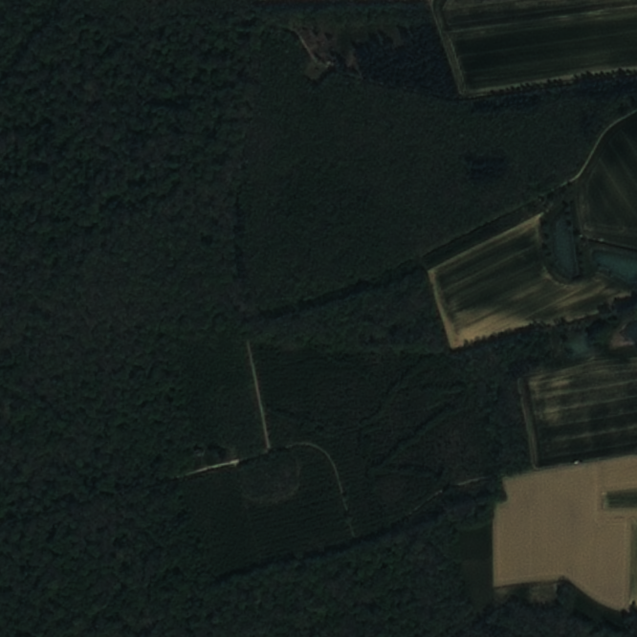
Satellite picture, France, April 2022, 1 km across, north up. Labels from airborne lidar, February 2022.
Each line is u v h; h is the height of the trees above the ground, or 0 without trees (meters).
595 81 24
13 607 23
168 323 27
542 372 0
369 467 11
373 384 9
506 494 15
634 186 0
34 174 30
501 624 19
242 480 13
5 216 27
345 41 0
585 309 0
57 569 25
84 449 23
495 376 27
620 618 0
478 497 7
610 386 0
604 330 24
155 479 23
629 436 0
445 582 29
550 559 0
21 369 23
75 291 28
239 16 24
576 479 0
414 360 10
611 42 0
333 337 26
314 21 25
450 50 0
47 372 28
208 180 26
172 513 26
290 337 29
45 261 26
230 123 25
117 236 27
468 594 18
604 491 0
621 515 0
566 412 0
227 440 19
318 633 22
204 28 27
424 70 28
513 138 20
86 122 29
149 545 27
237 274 27
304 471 6
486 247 0
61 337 28
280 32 17
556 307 0
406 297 29
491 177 27
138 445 23
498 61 0
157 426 20
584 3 0
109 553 25
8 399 28
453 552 24
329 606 20
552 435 0
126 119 26
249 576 21
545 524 0
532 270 0
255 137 20
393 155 15
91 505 26
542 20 0
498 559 0
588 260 0
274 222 18
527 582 0
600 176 0
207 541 6
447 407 8
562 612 25
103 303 28
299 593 25
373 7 23
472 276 0
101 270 28
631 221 0
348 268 20
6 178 26
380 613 25
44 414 27
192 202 17
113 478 25
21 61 25
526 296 0
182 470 16
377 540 24
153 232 29
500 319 0
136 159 26
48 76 22
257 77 15
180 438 22
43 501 25
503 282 0
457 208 18
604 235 0
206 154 27
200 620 23
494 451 11
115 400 27
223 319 24
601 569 0
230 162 27
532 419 0
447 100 18
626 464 0
